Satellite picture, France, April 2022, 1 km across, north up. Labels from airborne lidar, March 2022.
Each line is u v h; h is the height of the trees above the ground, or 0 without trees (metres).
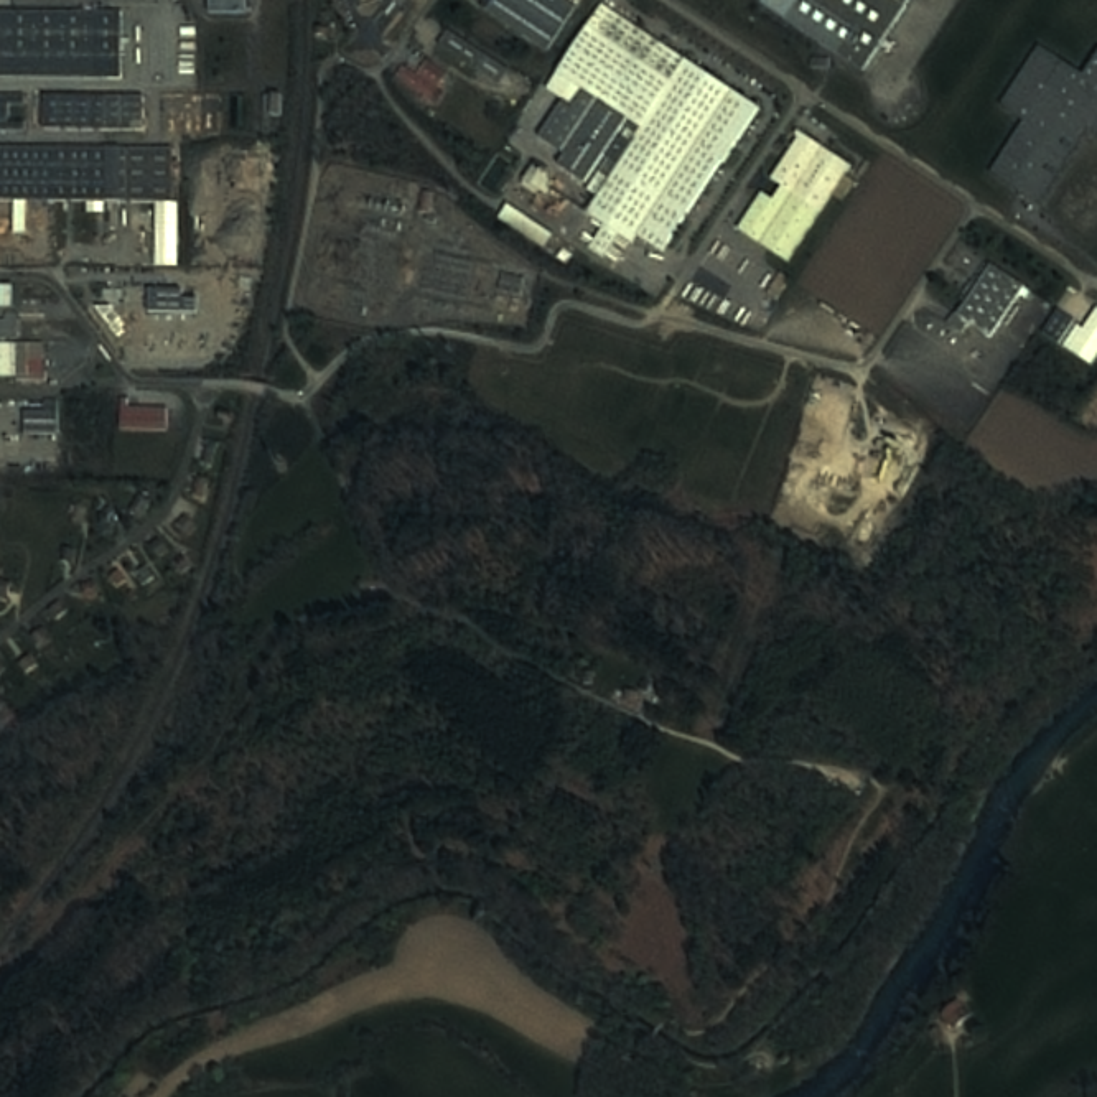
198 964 10
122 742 15
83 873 14
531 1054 0
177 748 11
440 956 0
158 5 0
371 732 14
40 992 23
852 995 21
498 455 31
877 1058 17
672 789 0
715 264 0
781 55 0
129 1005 27
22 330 0
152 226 0
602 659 6
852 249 0
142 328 0
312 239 0
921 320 0
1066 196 0
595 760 14
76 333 0
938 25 0
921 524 8
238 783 10
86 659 0
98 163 0
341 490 0
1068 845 0
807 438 0
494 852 13
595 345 0
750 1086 19
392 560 22
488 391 0
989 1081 0
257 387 0
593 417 0
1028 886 0
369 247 0
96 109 0
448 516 26
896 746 12
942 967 15
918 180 0
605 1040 15
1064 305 0
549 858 14
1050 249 0
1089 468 0
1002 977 0
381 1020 0
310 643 15
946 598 17
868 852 0
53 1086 26
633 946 0
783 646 11
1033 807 0
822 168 0
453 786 11
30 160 0
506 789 18
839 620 24
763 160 0
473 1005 0
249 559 0
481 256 0
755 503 0
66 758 19
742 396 0
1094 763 0
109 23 0
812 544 10
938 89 0
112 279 0
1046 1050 0
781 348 0
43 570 0
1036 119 0
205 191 0
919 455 0
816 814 21
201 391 0
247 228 0
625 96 0
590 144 0
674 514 9
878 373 0
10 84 0
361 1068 12
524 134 0
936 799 28
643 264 0
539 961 20
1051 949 0
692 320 0
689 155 0
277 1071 0
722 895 23
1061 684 33
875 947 24
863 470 0
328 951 26
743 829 21
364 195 0
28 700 0
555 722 14
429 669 11
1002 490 12
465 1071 0
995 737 19
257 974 23
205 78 0
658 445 0
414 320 0
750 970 24
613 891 24
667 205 0
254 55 0
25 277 0
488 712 17
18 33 0
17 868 27
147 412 0
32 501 0
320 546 0
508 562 6
